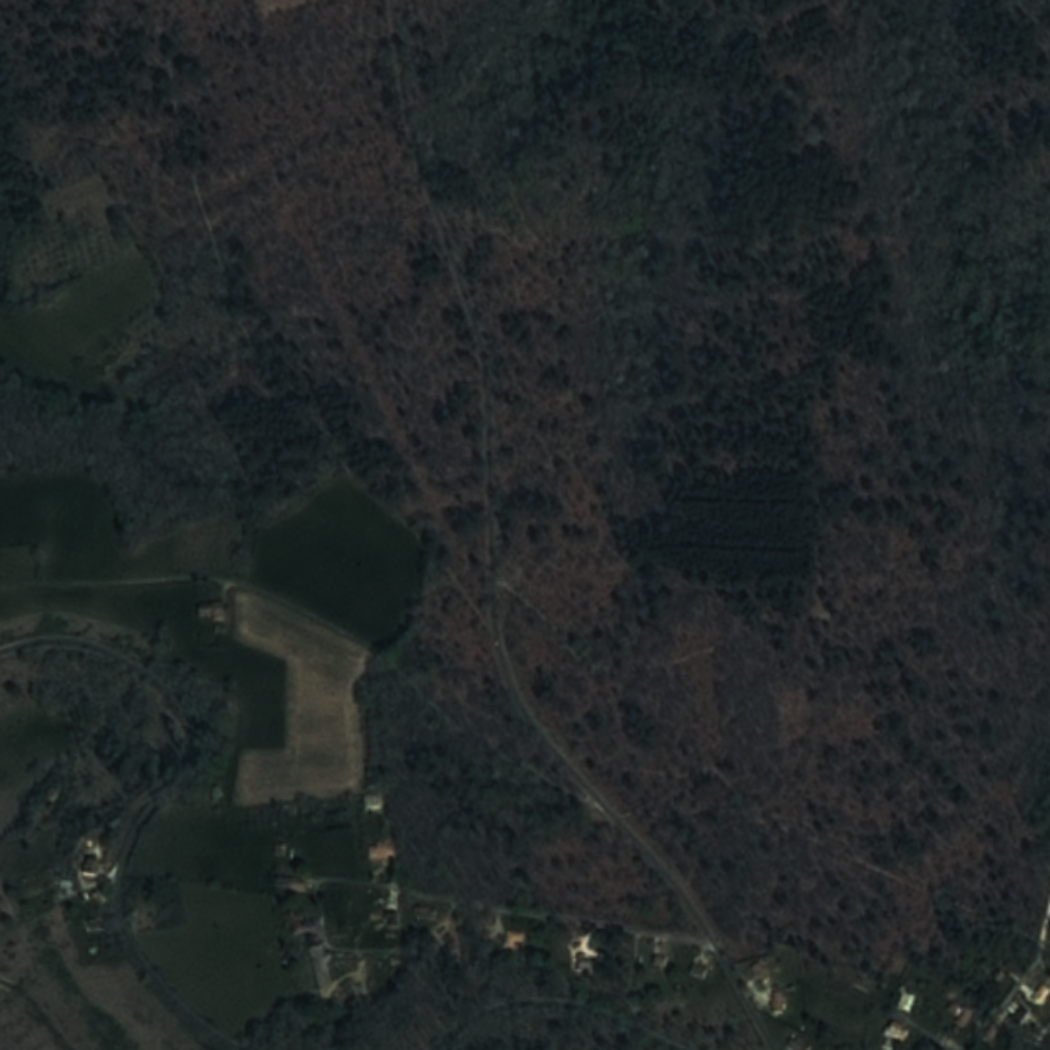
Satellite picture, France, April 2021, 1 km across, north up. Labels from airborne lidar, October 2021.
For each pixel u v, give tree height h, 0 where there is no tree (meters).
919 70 21
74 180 17
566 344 14
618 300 13
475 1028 17
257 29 15
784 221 26
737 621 14
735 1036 15
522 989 18
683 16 25
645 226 23
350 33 9
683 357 22
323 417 22
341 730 0
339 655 0
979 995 10
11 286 10
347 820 6
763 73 23
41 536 0
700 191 19
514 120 19
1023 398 21
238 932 0
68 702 28
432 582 20
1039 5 20
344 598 0
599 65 21
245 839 0
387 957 0
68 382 0
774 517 15
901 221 8
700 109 11
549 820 21
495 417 11
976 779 13
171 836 0
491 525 26
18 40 9
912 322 22
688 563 16
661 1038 19
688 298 10
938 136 31
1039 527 24
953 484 30
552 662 6
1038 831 21
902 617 8
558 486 7
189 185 9
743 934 13
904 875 7
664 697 7
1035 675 11
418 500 24
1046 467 11
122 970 0
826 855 10
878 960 11
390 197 8
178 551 0
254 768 0
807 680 8
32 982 0
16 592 0
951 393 15
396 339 11
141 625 0
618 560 10
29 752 0
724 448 16
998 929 9
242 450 14
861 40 18
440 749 13
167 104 21
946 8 20
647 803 10
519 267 10
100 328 0
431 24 9
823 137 27
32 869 0
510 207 20
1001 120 9
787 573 13
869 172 14
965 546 7
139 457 21
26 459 20
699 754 6
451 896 14
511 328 17
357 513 0
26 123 14
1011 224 24
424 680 22
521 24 21
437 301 11
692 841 23
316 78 11
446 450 11
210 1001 0
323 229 9
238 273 14
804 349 7
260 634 0
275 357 21
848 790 9
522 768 19
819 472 22
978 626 16
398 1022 24
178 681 19
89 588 0
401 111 21
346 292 6
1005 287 18
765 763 8
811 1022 10
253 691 0
